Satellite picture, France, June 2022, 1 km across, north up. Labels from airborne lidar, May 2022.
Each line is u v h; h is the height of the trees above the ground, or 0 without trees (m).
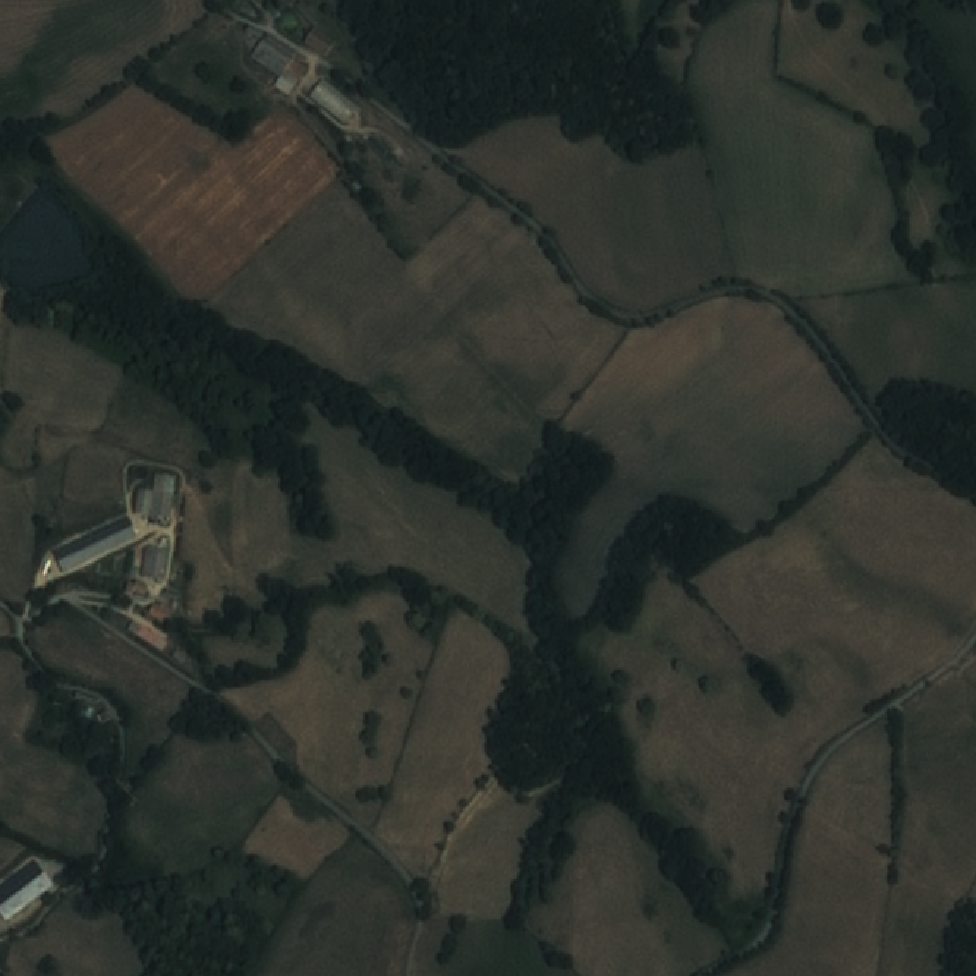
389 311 0
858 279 0
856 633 0
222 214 0
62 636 0
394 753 0
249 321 0
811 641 0
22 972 0
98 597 0
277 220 0
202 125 14
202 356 16
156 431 0
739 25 0
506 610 0
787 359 0
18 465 0
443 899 0
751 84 0
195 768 0
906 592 0
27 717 0
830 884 0
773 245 0
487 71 23
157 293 21
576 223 0
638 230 0
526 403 0
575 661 23
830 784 0
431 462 26
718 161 0
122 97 0
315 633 0
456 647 0
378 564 0
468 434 0
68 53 0
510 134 0
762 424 0
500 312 0
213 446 11
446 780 0
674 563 14
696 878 25
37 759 0
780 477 0
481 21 27
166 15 0
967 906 11
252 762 0
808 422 0
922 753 0
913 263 15
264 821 0
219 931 14
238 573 0
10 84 0
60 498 0
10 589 0
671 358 0
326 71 0
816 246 0
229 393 11
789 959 0
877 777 0
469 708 0
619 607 23
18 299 21
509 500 23
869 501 0
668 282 0
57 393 0
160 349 14
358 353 0
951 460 18
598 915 0
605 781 25
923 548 0
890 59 0
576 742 17
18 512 0
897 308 0
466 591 0
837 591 0
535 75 25
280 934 0
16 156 12
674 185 0
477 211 0
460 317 0
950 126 21
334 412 26
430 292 0
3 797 0
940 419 27
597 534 0
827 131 0
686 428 0
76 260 0
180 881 15
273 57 0
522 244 0
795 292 0
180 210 0
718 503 0
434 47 23
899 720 14
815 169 0
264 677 12
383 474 0
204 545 0
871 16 0
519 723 19
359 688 0
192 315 21
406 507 0
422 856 0
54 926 0
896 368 0
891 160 8
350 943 0
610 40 21
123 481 0
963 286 0
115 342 9
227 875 0
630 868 0
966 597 0
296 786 15
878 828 0
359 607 0
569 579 0
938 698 0
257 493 0
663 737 0
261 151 0
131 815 0
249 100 0
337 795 0
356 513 0
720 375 0
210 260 0
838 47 0
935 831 0
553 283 0
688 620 0
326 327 0
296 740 0
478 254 0
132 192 0
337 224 0
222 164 0
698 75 0
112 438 0
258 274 0
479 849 0
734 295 7
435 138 19
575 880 0
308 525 21
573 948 0
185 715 9
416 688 0
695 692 0
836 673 0
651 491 0
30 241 0
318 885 0
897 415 24
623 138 22
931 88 21
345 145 13
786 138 0
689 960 0
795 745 0
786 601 0
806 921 0
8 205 0
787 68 0
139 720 0
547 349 0
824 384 0
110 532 0
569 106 22
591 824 0
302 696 0
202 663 9
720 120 0
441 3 25
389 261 0
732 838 0
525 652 15
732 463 0
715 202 0
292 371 23
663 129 30
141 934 18
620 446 0
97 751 13
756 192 0
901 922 0
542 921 0
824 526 0
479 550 0
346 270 0
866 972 0
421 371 0
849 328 0
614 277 0
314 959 0
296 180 0
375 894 0
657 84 24
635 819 8
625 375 0
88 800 0
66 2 0
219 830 0
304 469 17
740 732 0
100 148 0
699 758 0
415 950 0
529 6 22
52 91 0
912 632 0
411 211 0
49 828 0
